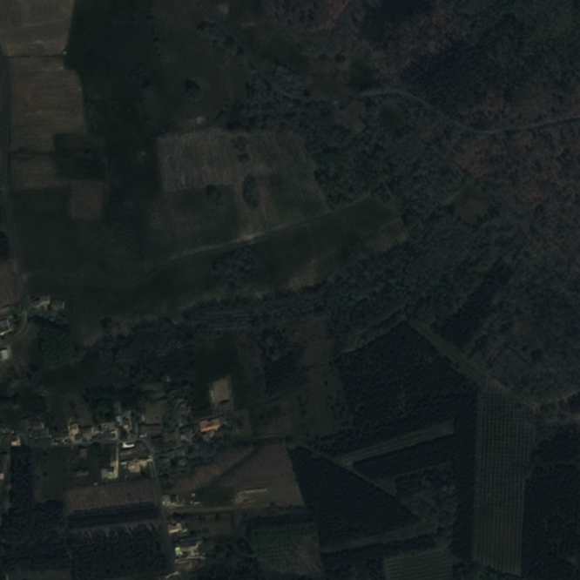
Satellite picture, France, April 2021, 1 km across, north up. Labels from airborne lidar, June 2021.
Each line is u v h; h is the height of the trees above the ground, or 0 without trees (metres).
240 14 0
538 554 10
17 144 0
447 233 22
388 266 23
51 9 0
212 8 0
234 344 7
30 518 19
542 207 10
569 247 12
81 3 0
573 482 11
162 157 0
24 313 0
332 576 16
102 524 11
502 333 19
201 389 0
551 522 9
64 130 0
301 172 0
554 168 7
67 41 0
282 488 0
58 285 0
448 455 10
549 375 14
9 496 0
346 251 0
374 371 9
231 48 22
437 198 18
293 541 26
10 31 0
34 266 0
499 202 15
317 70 0
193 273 0
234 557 16
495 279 13
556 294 21
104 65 0
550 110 6
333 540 10
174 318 0
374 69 12
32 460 16
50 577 0
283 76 12
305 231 0
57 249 0
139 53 0
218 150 0
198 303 0
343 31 17
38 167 0
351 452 9
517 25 21
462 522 10
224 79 0
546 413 21
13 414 0
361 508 10
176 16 0
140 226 0
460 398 9
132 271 0
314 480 11
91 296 0
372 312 28
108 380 0
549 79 11
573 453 10
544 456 11
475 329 12
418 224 26
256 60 0
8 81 0
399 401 8
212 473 10
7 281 18
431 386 9
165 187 0
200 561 7
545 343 18
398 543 9
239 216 0
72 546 19
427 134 14
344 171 25
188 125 0
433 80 17
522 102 18
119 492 14
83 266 0
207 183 0
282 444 11
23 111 0
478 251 21
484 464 7
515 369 12
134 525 14
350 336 19
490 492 9
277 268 0
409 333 11
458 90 22
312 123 18
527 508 10
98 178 0
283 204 0
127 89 0
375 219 0
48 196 0
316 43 14
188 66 0
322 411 0
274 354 17
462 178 22
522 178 19
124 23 0
